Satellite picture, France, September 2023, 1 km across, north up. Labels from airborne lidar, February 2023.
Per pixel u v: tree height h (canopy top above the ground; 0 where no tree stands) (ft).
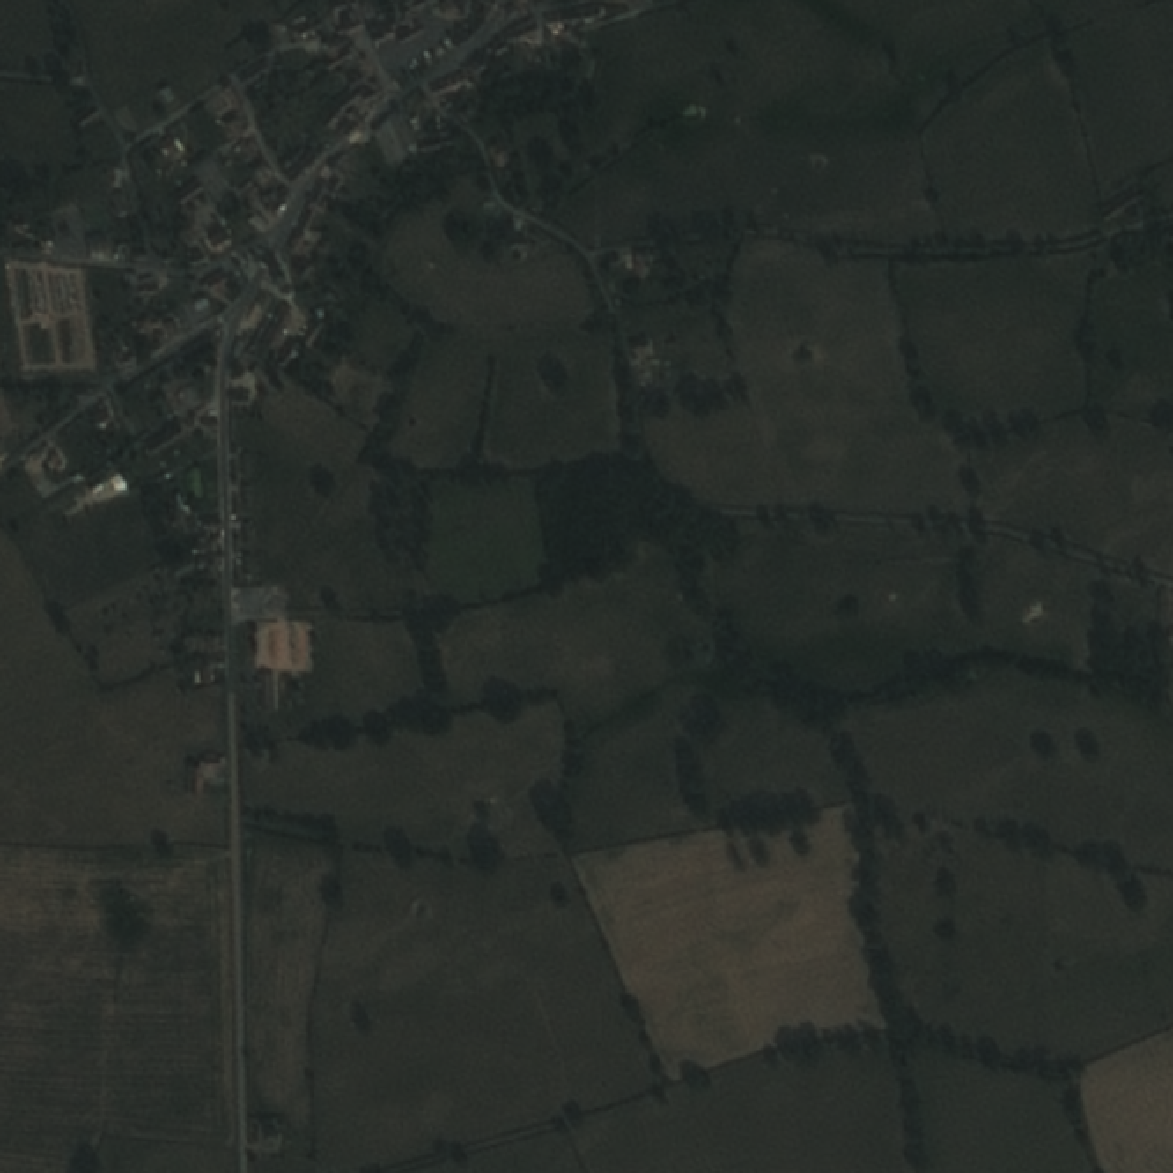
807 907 0
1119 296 0
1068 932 0
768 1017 0
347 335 49
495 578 0
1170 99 0
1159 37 0
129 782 0
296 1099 0
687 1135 0
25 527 0
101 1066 0
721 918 0
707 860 0
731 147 0
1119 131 0
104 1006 0
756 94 0
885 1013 46
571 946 0
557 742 0
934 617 0
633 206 0
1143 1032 0
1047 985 0
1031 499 0
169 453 0
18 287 0
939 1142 0
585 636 0
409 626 57
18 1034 0
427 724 63
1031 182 0
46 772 0
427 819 0
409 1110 0
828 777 0
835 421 0
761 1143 0
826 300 0
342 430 0
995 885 0
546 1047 0
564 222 0
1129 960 0
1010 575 0
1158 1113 0
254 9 0
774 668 0
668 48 0
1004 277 0
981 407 0
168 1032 0
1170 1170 0
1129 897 53
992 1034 0
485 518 0
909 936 0
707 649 28
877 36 0
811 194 0
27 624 0
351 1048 0
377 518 63
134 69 0
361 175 0
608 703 0
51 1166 0
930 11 0
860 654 0
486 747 0
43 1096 0
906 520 0
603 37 0
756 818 66
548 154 54
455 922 0
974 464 0
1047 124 0
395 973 0
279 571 0
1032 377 0
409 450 0
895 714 0
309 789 0
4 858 0
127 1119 0
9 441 0
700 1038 0
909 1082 42
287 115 0
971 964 0
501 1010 0
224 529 0
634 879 0
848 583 0
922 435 0
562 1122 33
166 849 40
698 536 41
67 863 0
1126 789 0
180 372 31
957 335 0
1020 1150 0
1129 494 0
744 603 0
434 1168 0
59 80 60
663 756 0
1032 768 0
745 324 0
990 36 0
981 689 0
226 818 0
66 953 0
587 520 45
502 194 26
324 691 0
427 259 0
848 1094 0
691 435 0
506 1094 0
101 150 0
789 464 0
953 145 0
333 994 0
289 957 0
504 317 0
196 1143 0
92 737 0
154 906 0
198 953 0
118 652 0
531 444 0
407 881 0
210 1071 0
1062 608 0
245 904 0
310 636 20
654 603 0
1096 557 0
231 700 0
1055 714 0
